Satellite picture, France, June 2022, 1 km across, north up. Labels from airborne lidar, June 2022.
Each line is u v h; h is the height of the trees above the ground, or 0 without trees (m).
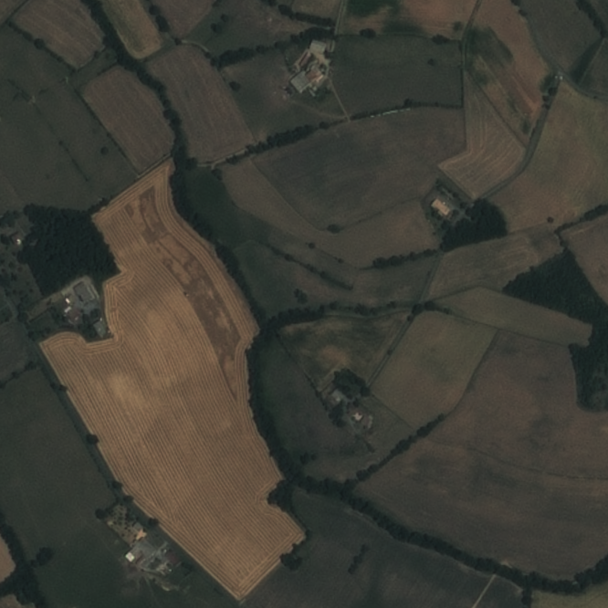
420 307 12
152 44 0
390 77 0
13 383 0
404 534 22
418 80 0
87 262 20
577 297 11
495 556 0
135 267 0
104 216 0
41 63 0
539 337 0
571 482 0
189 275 0
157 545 0
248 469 0
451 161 0
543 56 0
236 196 0
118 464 0
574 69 0
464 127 0
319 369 0
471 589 0
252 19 0
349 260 0
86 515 0
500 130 0
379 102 0
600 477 0
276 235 0
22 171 0
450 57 0
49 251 17
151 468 0
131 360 0
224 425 0
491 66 0
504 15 0
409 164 0
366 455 0
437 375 0
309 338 0
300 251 0
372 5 0
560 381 0
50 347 0
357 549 0
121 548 0
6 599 0
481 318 0
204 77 0
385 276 0
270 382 0
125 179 0
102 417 0
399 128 0
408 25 0
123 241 0
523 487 0
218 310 0
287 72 0
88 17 0
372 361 0
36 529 0
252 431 0
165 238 0
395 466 0
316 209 0
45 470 0
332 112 0
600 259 0
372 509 17
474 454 0
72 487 0
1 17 0
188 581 0
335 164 0
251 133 0
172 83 0
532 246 0
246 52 19
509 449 0
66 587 0
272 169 0
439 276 0
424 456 0
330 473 0
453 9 0
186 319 0
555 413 0
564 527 0
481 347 0
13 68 0
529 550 0
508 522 0
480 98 0
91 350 0
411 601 0
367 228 0
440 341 0
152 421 0
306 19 14
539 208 0
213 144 0
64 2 0
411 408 0
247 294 7
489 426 0
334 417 11
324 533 0
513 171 0
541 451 0
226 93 0
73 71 6
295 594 0
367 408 0
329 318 0
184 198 19
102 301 0
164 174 0
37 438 0
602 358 9
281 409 0
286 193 0
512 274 0
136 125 0
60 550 0
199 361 0
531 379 0
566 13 0
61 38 0
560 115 0
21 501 0
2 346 0
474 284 0
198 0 0
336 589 0
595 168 0
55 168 0
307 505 0
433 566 0
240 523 0
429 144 0
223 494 0
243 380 0
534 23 0
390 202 0
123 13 0
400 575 0
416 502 0
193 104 0
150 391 0
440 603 0
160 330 0
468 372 0
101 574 0
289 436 0
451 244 19
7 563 0
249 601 0
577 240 0
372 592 0
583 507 0
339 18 0
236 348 0
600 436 0
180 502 0
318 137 0
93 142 0
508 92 0
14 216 10
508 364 0
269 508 0
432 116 0
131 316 0
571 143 0
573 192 0
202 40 0
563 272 9
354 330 0
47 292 14
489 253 0
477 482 0
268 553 0
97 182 0
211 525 0
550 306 11
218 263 0
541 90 0
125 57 11
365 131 0
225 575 0
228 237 0
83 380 0
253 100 0
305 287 0
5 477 0
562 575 0
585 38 0
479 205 16
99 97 0
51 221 20
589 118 0
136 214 0
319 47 0
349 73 0
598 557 0
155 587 0
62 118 0
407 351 0
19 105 0
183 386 0
